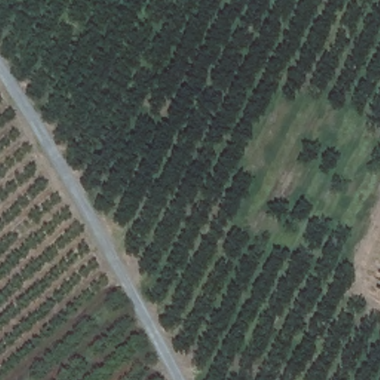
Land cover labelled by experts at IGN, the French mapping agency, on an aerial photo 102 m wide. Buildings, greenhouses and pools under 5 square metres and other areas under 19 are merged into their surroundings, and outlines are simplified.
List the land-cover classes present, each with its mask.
<instances>
[{"label":"deciduous trees","instance_id":"1","mask_svg":"<svg viewBox=\"0 0 380 380\"><path fill-rule=\"evenodd\" d=\"M0 56L6 59L10 74L15 77L16 82L25 80L28 83L25 95L31 99L34 110L39 111L43 122L55 126L53 141L56 145L62 144L67 147L62 154L65 162L71 168L82 172L80 184L85 189L92 208L113 220L110 223L111 236L117 254L126 249L129 255L137 258L141 273L142 298L144 301L157 304L159 324L165 328V338L172 343L175 352L191 353L194 356L196 380H380V310H377L379 306L376 303L365 300L362 295H356L350 286L355 281V248L370 229L371 209L379 200L380 187V0H0ZM15 119V108L9 107L0 96V380H166L159 371L154 370L159 355L147 332L138 324L131 298L123 291L122 286L108 284L107 275L98 269L96 258L92 257L88 243L85 242V224L71 215L70 206L62 202L59 194L47 184L46 178L39 177L34 172L36 162L30 153L31 144L21 141L18 128H15V122L12 120Z\"/></svg>","mask_w":380,"mask_h":380},{"label":"pervious surface","instance_id":"2","mask_svg":"<svg viewBox=\"0 0 380 380\"><path fill-rule=\"evenodd\" d=\"M28 83L25 80L16 82L15 77L10 74L6 59L0 56V96L9 107L15 108V119L12 120L15 122V128H18L21 141L31 144L30 153L36 162L34 172L39 177L46 178L47 184L59 194L62 202L70 206L71 215L85 224V242L88 243L92 257L96 258L98 269L107 275L108 284L122 286L123 291L131 298L138 324L147 332L159 355L154 370L159 371L166 380H196L194 356L191 353L175 352L172 343L165 338V328L159 324L157 304L144 301L142 298L141 273L137 258L129 255L126 249L117 254L111 236L110 223L113 220L92 208L85 189L80 184L82 172L71 168L65 162L62 154L67 147L62 144L56 145L53 141L55 126L43 122L39 111L34 110L31 99L25 95Z\"/></svg>","mask_w":380,"mask_h":380},{"label":"plowed land","instance_id":"3","mask_svg":"<svg viewBox=\"0 0 380 380\"><path fill-rule=\"evenodd\" d=\"M370 229L355 248V281L350 286L356 295H362L365 300L376 303L379 306L377 310H380V187L379 200L371 209Z\"/></svg>","mask_w":380,"mask_h":380}]
</instances>
